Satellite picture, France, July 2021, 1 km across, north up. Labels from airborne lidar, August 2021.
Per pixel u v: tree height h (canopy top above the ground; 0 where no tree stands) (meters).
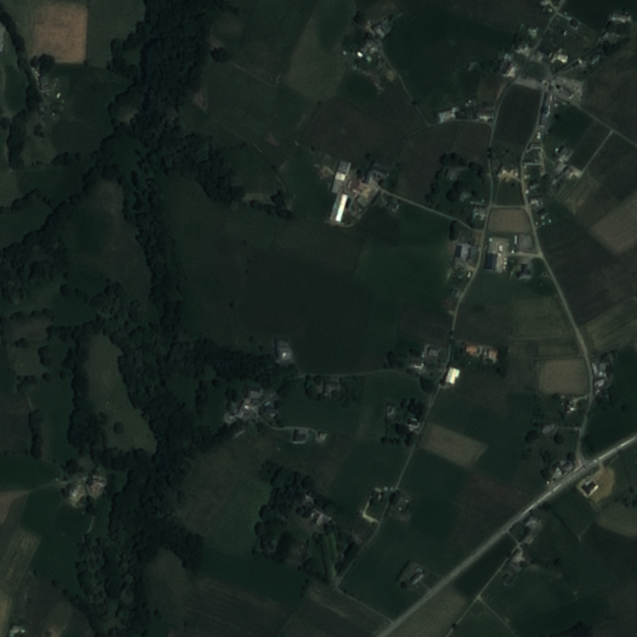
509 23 0
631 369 0
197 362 21
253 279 0
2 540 0
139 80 20
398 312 0
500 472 0
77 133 0
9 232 0
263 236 0
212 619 0
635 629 0
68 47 0
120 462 31
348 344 0
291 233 0
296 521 0
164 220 13
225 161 21
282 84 0
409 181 0
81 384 26
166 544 27
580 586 0
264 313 0
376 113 0
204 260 0
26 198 11
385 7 0
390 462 0
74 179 0
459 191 18
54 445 0
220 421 0
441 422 0
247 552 0
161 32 25
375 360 0
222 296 0
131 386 22
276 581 0
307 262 0
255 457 0
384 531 0
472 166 14
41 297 0
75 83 0
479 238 0
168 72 25
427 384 18
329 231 0
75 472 12
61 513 0
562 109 0
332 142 0
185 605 0
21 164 19
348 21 0
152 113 22
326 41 0
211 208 0
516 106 0
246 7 0
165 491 24
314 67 0
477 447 0
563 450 0
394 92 0
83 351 16
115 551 23
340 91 0
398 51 0
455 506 0
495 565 0
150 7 21
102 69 0
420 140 0
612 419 0
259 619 0
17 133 21
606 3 0
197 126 0
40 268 27
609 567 0
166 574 0
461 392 0
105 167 16
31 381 19
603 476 0
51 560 0
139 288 0
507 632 0
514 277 0
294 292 0
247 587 0
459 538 0
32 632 0
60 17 0
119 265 0
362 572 0
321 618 0
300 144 0
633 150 0
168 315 18
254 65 0
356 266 0
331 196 0
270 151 0
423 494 0
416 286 0
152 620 13
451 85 0
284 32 0
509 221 0
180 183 0
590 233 0
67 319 0
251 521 0
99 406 0
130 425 0
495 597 0
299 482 15
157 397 33
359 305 0
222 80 0
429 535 0
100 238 0
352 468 0
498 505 0
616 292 0
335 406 0
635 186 0
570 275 0
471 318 0
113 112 17
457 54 0
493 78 0
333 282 0
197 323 0
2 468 0
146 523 31
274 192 0
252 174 0
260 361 22
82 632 0
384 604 0
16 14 0
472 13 0
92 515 14
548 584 0
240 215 0
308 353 0
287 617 0
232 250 0
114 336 17
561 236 0
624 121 0
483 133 0
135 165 0
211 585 0
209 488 0
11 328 0
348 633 0
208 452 16
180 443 27
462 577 0
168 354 14
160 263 24
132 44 19
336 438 0
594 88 0
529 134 0
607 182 0
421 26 0
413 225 0
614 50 11
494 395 0
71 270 11
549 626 0
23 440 0
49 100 0
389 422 7
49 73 16
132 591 26
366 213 0
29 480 0
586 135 0
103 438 16
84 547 15
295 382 9
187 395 0
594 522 0
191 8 28
